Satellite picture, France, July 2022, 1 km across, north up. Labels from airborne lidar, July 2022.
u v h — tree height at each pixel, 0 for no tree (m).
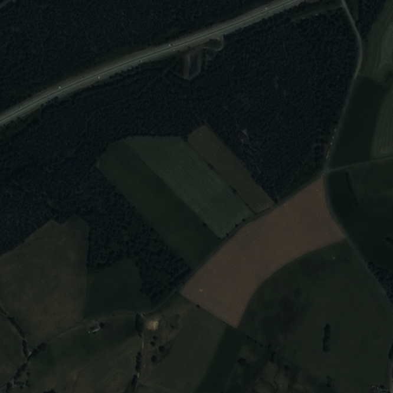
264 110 23
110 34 22
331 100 18
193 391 0
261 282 0
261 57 28
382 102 0
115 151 0
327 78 22
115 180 0
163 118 24
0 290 0
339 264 0
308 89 24
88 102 21
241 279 0
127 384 0
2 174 17
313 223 0
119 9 19
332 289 0
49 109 18
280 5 0
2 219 25
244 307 0
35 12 17
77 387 0
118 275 0
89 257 11
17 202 20
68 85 0
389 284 9
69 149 18
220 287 0
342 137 0
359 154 0
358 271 0
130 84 14
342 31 23
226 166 0
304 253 0
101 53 16
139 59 0
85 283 0
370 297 0
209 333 0
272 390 0
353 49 24
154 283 9
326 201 0
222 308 0
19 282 0
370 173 0
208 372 0
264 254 0
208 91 22
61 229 0
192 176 0
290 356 0
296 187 0
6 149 7
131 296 0
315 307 0
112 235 14
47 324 0
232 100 25
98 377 0
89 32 20
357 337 0
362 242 0
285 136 24
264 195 0
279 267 0
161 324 0
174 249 0
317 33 23
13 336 0
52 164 11
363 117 0
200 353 0
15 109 0
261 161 27
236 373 0
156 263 18
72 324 0
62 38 21
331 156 0
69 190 19
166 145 0
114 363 0
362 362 0
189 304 0
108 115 22
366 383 0
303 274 0
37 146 14
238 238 0
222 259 0
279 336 0
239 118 21
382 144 0
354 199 10
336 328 0
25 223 19
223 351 0
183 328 0
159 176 0
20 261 0
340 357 0
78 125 17
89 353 0
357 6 0
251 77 30
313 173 0
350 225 0
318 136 11
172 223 0
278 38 28
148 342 0
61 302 0
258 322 0
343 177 0
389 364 0
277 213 0
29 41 26
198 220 0
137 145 0
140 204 0
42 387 0
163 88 23
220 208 0
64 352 0
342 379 0
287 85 24
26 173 23
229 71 18
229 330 0
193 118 21
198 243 0
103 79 0
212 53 12
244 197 0
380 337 0
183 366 0
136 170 0
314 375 0
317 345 0
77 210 13
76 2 19
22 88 15
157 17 19
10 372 0
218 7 20
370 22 22
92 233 15
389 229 0
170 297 0
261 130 22
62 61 14
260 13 0
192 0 18
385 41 0
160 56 0
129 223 10
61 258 0
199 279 0
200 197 0
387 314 0
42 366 0
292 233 0
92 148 20
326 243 0
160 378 0
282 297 0
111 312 0
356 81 0
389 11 0
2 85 20
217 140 0
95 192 15
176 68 7
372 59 0
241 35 17
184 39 0
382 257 0
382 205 0
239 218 0
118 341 0
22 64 14
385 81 0
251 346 0
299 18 0
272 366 0
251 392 0
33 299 0
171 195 0
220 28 0
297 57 21
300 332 0
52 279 0
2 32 20
